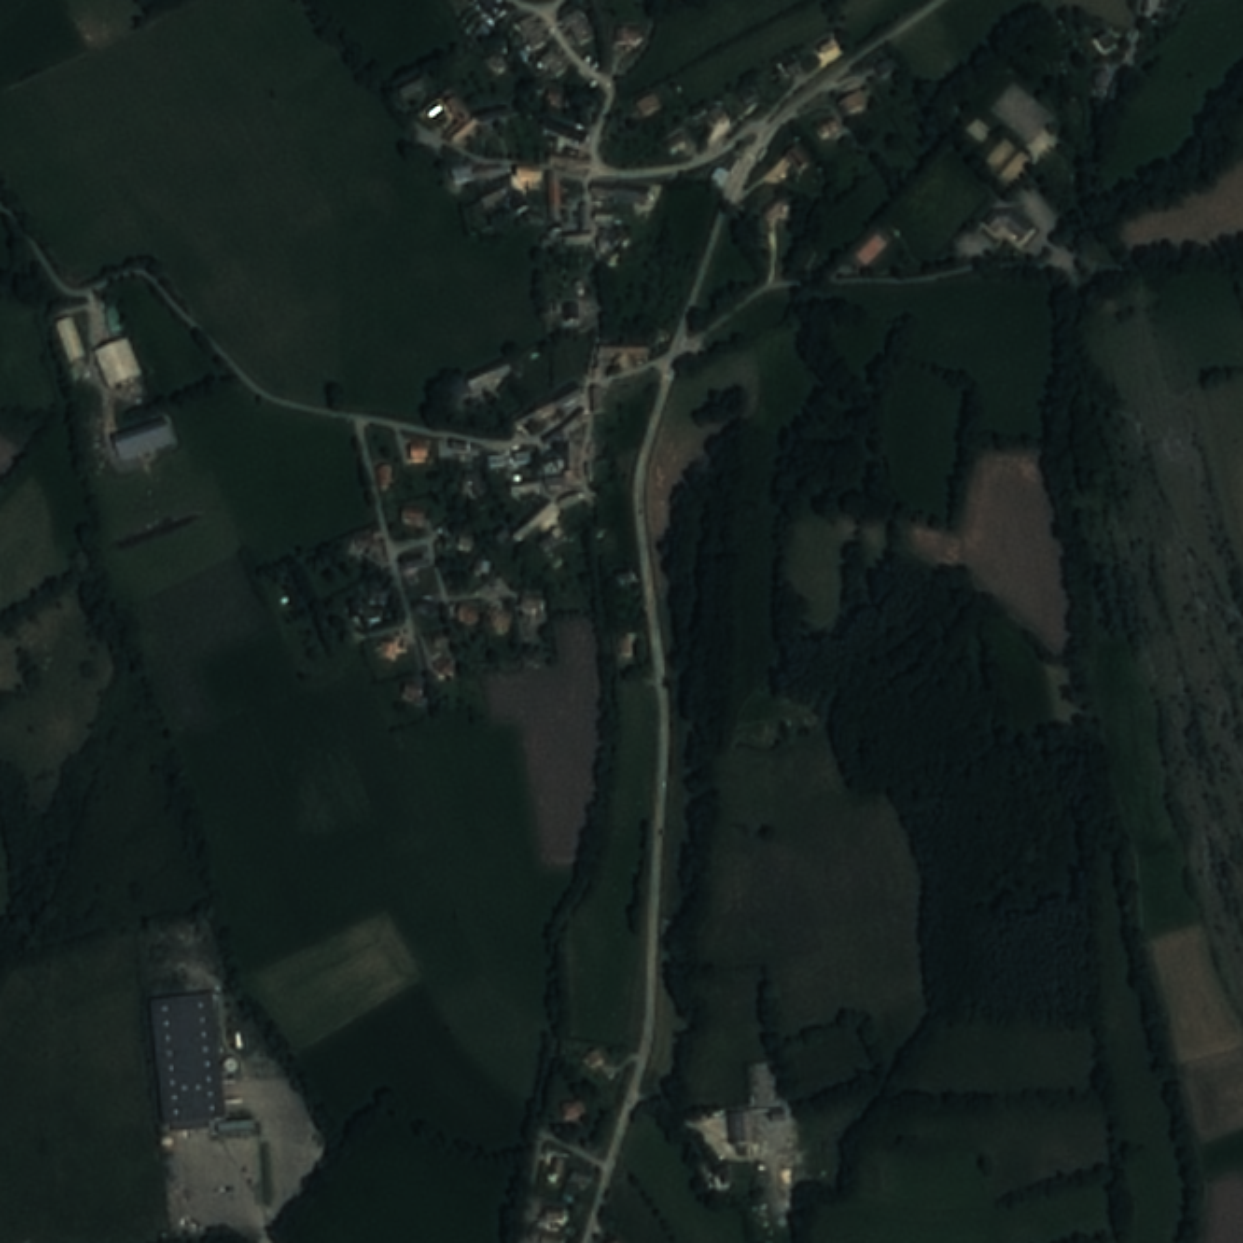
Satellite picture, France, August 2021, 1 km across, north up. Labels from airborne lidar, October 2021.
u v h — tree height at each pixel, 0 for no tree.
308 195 0
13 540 0
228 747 0
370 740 0
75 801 8
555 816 0
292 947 0
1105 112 16
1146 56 8
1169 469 0
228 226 0
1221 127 24
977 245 0
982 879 22
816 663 21
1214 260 16
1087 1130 0
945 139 14
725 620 22
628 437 0
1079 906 24
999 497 0
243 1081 0
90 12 0
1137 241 0
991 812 25
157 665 0
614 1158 0
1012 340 0
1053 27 22
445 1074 0
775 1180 0
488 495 6
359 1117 14
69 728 0
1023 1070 0
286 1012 0
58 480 0
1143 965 13
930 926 19
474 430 7
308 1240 0
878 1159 0
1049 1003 24
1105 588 17
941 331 0
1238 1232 0
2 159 0
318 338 0
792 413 0
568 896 10
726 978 0
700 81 0
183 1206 0
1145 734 0
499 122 9
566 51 0
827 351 24
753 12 0
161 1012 0
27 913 12
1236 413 0
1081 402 18
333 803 0
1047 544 0
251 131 0
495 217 10
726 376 0
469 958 0
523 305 0
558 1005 14
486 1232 0
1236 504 0
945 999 20
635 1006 0
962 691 21
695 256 6
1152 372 0
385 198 0
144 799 0
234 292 0
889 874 0
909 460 0
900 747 22
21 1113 0
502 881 0
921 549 0
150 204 0
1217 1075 0
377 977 0
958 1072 0
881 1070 15
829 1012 0
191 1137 0
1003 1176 0
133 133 0
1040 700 0
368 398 0
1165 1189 0
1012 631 0
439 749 0
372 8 0
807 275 11
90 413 0
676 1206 0
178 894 0
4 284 12
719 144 0
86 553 13
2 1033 0
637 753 0
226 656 0
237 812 0
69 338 0
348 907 0
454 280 0
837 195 7
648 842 11
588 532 10
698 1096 0
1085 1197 0
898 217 0
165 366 0
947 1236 0
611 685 12
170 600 0
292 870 0
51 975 0
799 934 0
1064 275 10
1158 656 0
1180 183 23
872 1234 0
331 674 0
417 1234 0
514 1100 0
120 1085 0
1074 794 24
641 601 9
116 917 0
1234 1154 0
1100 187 10
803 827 0
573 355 0
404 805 0
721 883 0
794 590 14
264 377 0
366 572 12
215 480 0
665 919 0
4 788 5
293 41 0
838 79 0
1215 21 0
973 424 23
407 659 0
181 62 0
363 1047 0
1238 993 0
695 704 25
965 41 0
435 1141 14
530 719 0
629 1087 0
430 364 0
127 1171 0
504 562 0
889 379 20
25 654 7
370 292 0
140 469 0
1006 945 19
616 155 0
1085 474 13
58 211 0
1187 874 6
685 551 18
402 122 9
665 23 17
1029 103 0
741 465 13
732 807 0
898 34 0
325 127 0
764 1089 0
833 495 14
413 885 0
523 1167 18
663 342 6
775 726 0
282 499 0
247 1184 0
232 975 11
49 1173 0
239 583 0
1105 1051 15
